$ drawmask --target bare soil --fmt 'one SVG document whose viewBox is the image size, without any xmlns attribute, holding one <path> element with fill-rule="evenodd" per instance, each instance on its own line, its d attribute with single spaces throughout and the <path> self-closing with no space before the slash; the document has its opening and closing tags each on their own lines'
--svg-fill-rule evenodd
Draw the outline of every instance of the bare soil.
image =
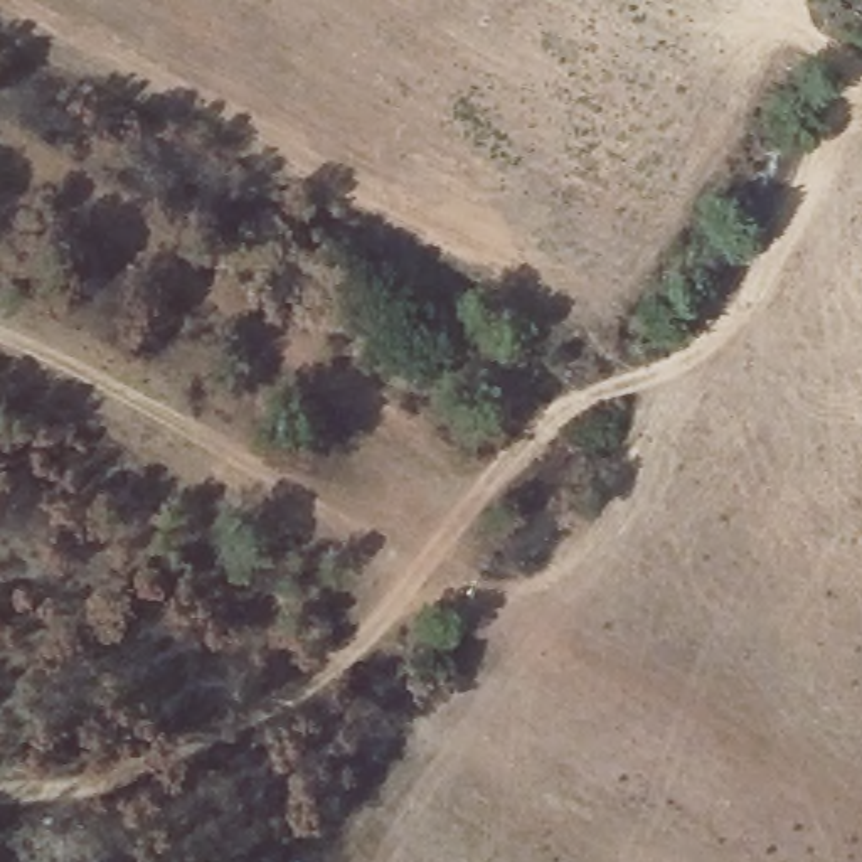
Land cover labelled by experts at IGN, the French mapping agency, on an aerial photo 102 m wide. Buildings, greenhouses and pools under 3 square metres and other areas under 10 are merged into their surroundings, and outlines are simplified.
<svg viewBox="0 0 862 862">
<path fill-rule="evenodd" d="M 455 545 L 455 552 L 424 579 L 421 599 L 428 606 L 438 603 L 441 609 L 455 609 L 461 626 L 478 633 L 485 623 L 498 616 L 508 579 L 485 579 L 471 566 L 475 545 L 465 535 Z"/>
<path fill-rule="evenodd" d="M 317 263 L 310 253 L 296 246 L 290 263 L 296 263 L 306 276 L 303 290 L 293 293 L 293 327 L 286 333 L 283 364 L 310 367 L 330 360 L 327 337 L 340 333 L 343 269 Z"/>
<path fill-rule="evenodd" d="M 7 418 L 20 418 L 24 431 L 47 428 L 51 448 L 44 465 L 71 471 L 77 485 L 108 495 L 108 512 L 118 522 L 155 515 L 175 482 L 185 488 L 216 482 L 216 461 L 205 448 L 168 434 L 165 428 L 141 418 L 131 407 L 98 397 L 91 384 L 61 377 L 40 367 L 34 357 L 13 357 L 0 350 L 0 404 L 7 407 Z"/>
<path fill-rule="evenodd" d="M 350 461 L 340 468 L 333 482 L 367 492 L 384 488 L 384 525 L 377 532 L 384 535 L 387 549 L 414 556 L 434 532 L 434 525 L 448 515 L 451 502 L 471 485 L 471 478 L 488 461 L 468 461 L 451 455 L 421 414 L 407 414 L 397 404 L 384 404 L 380 424 L 357 441 Z"/>
<path fill-rule="evenodd" d="M 774 178 L 727 178 L 721 199 L 734 202 L 741 219 L 751 219 L 758 226 L 754 246 L 761 253 L 785 232 L 801 202 L 801 189 L 791 185 Z"/>
<path fill-rule="evenodd" d="M 54 347 L 64 347 L 67 354 L 84 357 L 98 370 L 145 391 L 148 397 L 189 411 L 189 397 L 182 401 L 148 360 L 121 357 L 94 333 L 67 330 L 51 320 L 24 320 L 17 327 Z"/>
</svg>

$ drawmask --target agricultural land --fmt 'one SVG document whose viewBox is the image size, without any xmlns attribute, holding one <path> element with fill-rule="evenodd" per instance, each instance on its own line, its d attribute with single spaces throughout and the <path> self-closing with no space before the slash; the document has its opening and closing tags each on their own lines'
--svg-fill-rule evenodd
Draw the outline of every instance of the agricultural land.
<svg viewBox="0 0 862 862">
<path fill-rule="evenodd" d="M 226 121 L 236 114 L 249 118 L 253 152 L 259 155 L 266 148 L 276 148 L 290 175 L 310 178 L 320 165 L 347 165 L 354 172 L 357 209 L 384 216 L 391 226 L 414 232 L 421 242 L 441 249 L 441 256 L 455 259 L 458 266 L 488 269 L 492 279 L 502 279 L 505 269 L 532 266 L 542 286 L 569 300 L 583 300 L 589 313 L 606 323 L 620 320 L 620 310 L 636 296 L 657 256 L 684 229 L 694 192 L 714 175 L 727 178 L 727 155 L 744 135 L 744 121 L 758 88 L 785 81 L 808 54 L 828 47 L 828 34 L 811 24 L 805 0 L 0 0 L 0 20 L 27 20 L 37 34 L 51 37 L 47 64 L 57 74 L 128 74 L 135 81 L 145 81 L 152 94 L 192 91 L 199 104 L 219 101 Z"/>
<path fill-rule="evenodd" d="M 364 805 L 347 822 L 347 862 L 862 862 L 862 81 L 845 88 L 845 101 L 852 111 L 845 131 L 825 141 L 842 155 L 842 168 L 835 182 L 825 189 L 825 199 L 815 219 L 808 222 L 805 239 L 781 266 L 781 276 L 768 303 L 744 327 L 737 327 L 734 337 L 727 337 L 724 347 L 714 350 L 704 364 L 677 374 L 673 380 L 647 387 L 636 397 L 636 414 L 630 424 L 630 458 L 640 471 L 633 492 L 613 498 L 583 535 L 562 539 L 552 562 L 542 572 L 508 579 L 498 616 L 485 623 L 478 633 L 461 626 L 458 643 L 451 650 L 434 653 L 434 663 L 448 677 L 424 684 L 424 694 L 414 697 L 418 721 L 407 737 L 404 758 L 391 768 L 377 801 Z"/>
</svg>

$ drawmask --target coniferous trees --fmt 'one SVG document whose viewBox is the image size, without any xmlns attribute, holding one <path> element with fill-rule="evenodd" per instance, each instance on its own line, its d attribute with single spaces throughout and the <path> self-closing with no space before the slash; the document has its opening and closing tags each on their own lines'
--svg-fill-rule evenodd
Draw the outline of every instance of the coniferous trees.
<svg viewBox="0 0 862 862">
<path fill-rule="evenodd" d="M 727 178 L 774 178 L 791 185 L 798 162 L 825 141 L 845 131 L 852 111 L 845 101 L 845 88 L 862 81 L 862 0 L 805 0 L 811 24 L 828 34 L 828 47 L 808 54 L 785 81 L 758 88 L 744 121 L 744 135 L 727 155 Z"/>
<path fill-rule="evenodd" d="M 266 485 L 226 488 L 216 482 L 185 488 L 175 482 L 155 515 L 118 522 L 108 512 L 108 495 L 77 485 L 71 471 L 44 465 L 51 448 L 47 428 L 24 431 L 20 418 L 7 418 L 7 407 L 0 404 L 0 781 L 30 781 L 37 774 L 101 774 L 118 758 L 135 758 L 148 751 L 145 741 L 135 734 L 138 721 L 152 721 L 152 727 L 165 737 L 216 731 L 226 741 L 185 761 L 185 781 L 178 795 L 168 795 L 152 774 L 138 774 L 128 785 L 77 801 L 17 801 L 10 795 L 0 795 L 0 862 L 347 862 L 347 822 L 364 805 L 377 801 L 391 768 L 404 758 L 407 737 L 418 721 L 414 697 L 424 694 L 424 684 L 448 677 L 434 663 L 434 653 L 451 650 L 458 643 L 461 626 L 455 609 L 441 609 L 438 603 L 428 606 L 421 606 L 414 616 L 404 616 L 391 633 L 384 633 L 364 660 L 357 660 L 320 697 L 306 700 L 303 707 L 283 707 L 279 697 L 310 684 L 327 667 L 333 650 L 354 640 L 357 623 L 377 606 L 387 586 L 380 583 L 380 572 L 370 562 L 364 569 L 343 569 L 323 556 L 323 535 L 313 532 L 313 492 L 290 482 L 276 482 L 269 492 Z"/>
<path fill-rule="evenodd" d="M 502 279 L 492 279 L 488 269 L 458 266 L 455 259 L 441 256 L 441 249 L 421 242 L 414 232 L 391 226 L 384 216 L 357 209 L 354 172 L 347 165 L 320 165 L 310 178 L 290 175 L 276 148 L 266 148 L 259 155 L 253 152 L 249 118 L 236 114 L 226 121 L 219 101 L 199 104 L 192 91 L 152 94 L 145 81 L 135 81 L 128 74 L 57 74 L 47 64 L 51 37 L 37 34 L 27 20 L 0 20 L 0 323 L 17 327 L 24 320 L 51 320 L 67 330 L 94 333 L 121 357 L 148 360 L 182 401 L 189 397 L 189 411 L 202 424 L 222 428 L 229 438 L 253 448 L 269 468 L 293 468 L 333 482 L 340 468 L 350 461 L 357 441 L 380 424 L 384 404 L 397 404 L 407 414 L 421 414 L 451 455 L 468 461 L 488 461 L 515 441 L 522 441 L 539 411 L 552 404 L 559 394 L 579 391 L 620 370 L 647 367 L 687 347 L 724 313 L 724 306 L 741 290 L 751 263 L 761 253 L 754 246 L 758 226 L 751 219 L 741 219 L 734 202 L 721 199 L 727 178 L 714 175 L 694 192 L 684 229 L 657 256 L 636 296 L 620 310 L 620 320 L 606 323 L 589 313 L 583 300 L 569 300 L 542 286 L 532 266 L 505 269 Z M 303 290 L 306 276 L 296 263 L 290 263 L 296 246 L 310 253 L 317 263 L 343 269 L 340 333 L 327 337 L 330 360 L 310 367 L 283 364 L 286 333 L 293 327 L 293 293 Z"/>
<path fill-rule="evenodd" d="M 485 579 L 508 579 L 542 572 L 552 562 L 562 539 L 583 535 L 613 498 L 633 492 L 640 471 L 630 458 L 630 424 L 636 414 L 636 397 L 623 394 L 576 414 L 549 441 L 549 448 L 498 498 L 492 498 L 482 508 L 478 522 L 465 535 L 475 545 L 471 566 Z"/>
</svg>

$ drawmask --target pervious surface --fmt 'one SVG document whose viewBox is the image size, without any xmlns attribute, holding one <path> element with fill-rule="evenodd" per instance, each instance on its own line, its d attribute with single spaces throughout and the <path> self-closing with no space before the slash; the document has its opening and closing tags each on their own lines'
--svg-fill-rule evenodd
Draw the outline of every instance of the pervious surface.
<svg viewBox="0 0 862 862">
<path fill-rule="evenodd" d="M 10 795 L 17 801 L 77 801 L 128 785 L 138 774 L 152 774 L 168 795 L 178 795 L 185 781 L 185 761 L 226 741 L 216 731 L 165 737 L 152 727 L 152 721 L 138 721 L 135 734 L 145 741 L 148 751 L 135 758 L 118 758 L 101 774 L 37 774 L 30 781 L 0 781 L 0 795 Z"/>
<path fill-rule="evenodd" d="M 515 441 L 488 461 L 471 478 L 471 485 L 451 502 L 448 515 L 434 525 L 434 532 L 414 556 L 387 549 L 384 535 L 377 532 L 384 525 L 384 488 L 367 492 L 333 482 L 293 468 L 269 468 L 253 448 L 229 438 L 222 428 L 202 424 L 189 411 L 148 397 L 145 391 L 98 370 L 84 357 L 67 354 L 64 347 L 54 347 L 17 327 L 0 323 L 0 350 L 13 357 L 34 357 L 40 367 L 61 377 L 91 384 L 98 397 L 131 407 L 141 418 L 165 428 L 168 434 L 205 448 L 216 461 L 216 482 L 226 488 L 266 485 L 269 492 L 276 482 L 290 482 L 313 492 L 313 532 L 323 535 L 323 556 L 343 569 L 364 569 L 370 562 L 380 572 L 380 583 L 387 586 L 377 606 L 357 623 L 354 640 L 333 650 L 327 667 L 310 684 L 279 697 L 283 707 L 303 707 L 306 700 L 320 697 L 357 660 L 364 660 L 384 633 L 391 633 L 404 616 L 414 616 L 421 606 L 428 606 L 421 599 L 424 579 L 455 552 L 455 545 L 465 535 L 478 522 L 482 508 L 492 498 L 498 498 L 549 448 L 549 441 L 576 414 L 623 394 L 636 397 L 647 387 L 673 380 L 677 374 L 704 364 L 714 350 L 724 347 L 727 337 L 734 337 L 737 327 L 744 327 L 768 303 L 781 276 L 781 266 L 805 239 L 808 222 L 815 219 L 825 199 L 825 189 L 835 182 L 842 168 L 842 155 L 825 141 L 798 162 L 791 185 L 801 189 L 801 202 L 785 232 L 761 253 L 751 263 L 741 290 L 724 306 L 724 313 L 687 347 L 647 367 L 620 370 L 579 391 L 559 394 L 552 404 L 539 411 L 522 441 Z"/>
</svg>

